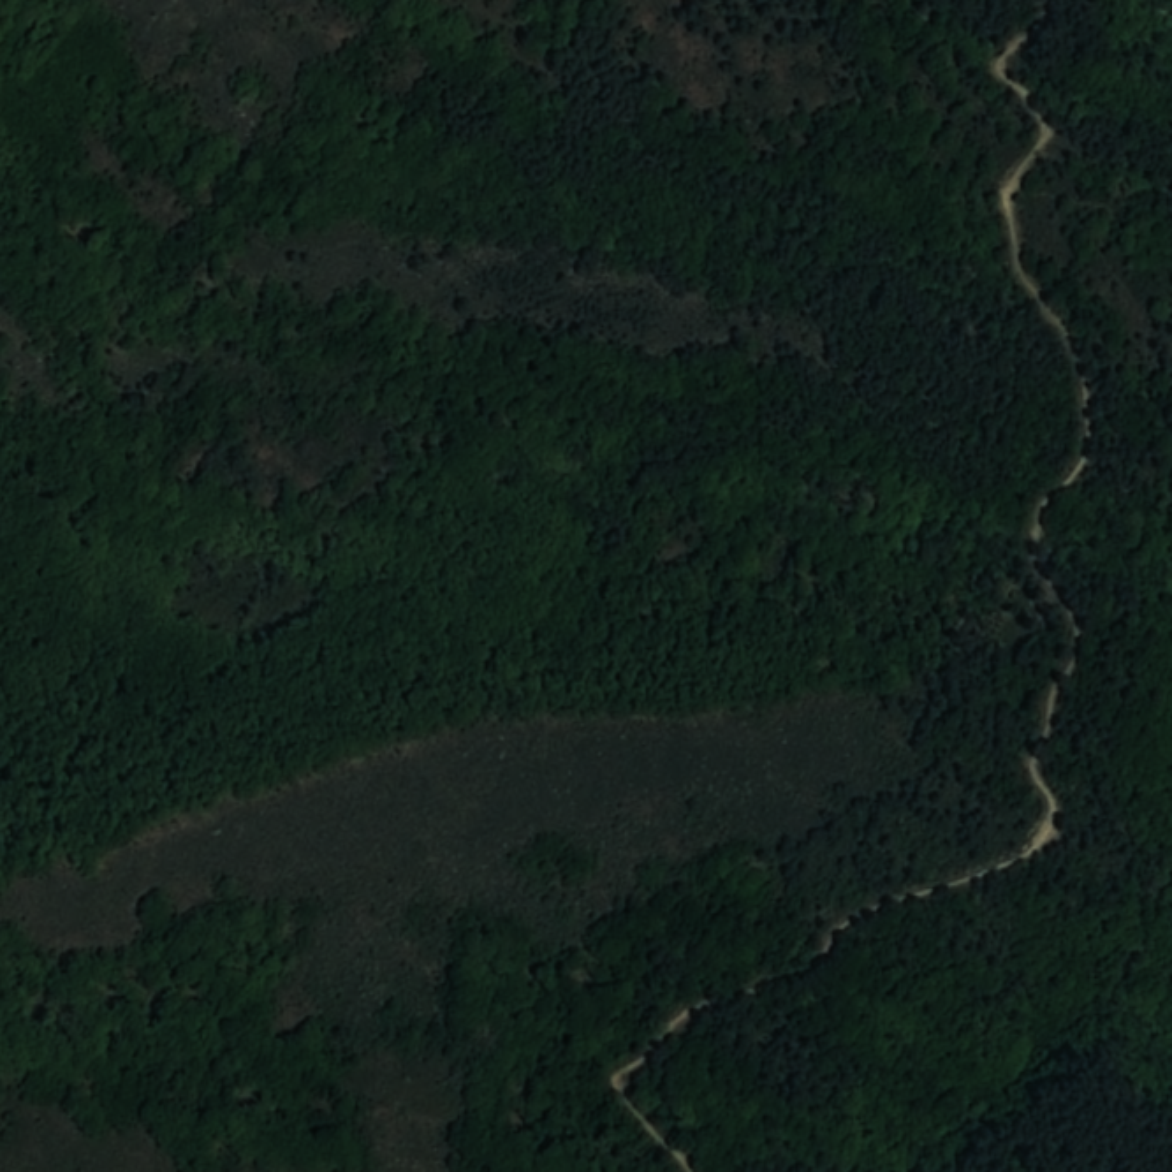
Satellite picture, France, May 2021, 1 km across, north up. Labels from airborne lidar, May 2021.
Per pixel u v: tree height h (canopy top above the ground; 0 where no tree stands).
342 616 28
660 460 24
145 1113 21
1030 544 12
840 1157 25
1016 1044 25
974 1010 21
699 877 13
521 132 29
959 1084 27
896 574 24
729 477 27
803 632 27
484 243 17
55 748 27
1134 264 17
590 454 19
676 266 21
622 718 7
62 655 23
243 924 33
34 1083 13
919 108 20
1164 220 17
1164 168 16
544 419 25
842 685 13
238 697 25
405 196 27
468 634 29
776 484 22
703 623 22
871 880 20
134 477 27
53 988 28
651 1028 23
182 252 18
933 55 19
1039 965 21
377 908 7
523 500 26
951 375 19
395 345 19
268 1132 29
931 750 10
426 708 24
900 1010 29
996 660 32
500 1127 27
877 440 18
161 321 10
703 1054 23
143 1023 31
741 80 14
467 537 13
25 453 19
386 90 12
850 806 9
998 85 11
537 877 5
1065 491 16
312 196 30
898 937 20
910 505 25
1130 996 32
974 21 29
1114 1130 39
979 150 9
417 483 28
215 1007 22
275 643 27
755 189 25
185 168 27
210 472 21
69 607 25
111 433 24
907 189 21
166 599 20
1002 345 16
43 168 18
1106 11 26
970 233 13
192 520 27
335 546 29
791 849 20
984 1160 36
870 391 21
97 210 28
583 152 29
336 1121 11
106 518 34
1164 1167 39
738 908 16
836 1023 27
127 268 21
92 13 20
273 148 12
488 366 33
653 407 26
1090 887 14
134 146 13
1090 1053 15
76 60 12
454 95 14
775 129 18
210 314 22
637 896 9
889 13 13
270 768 17
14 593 22
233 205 13
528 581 19
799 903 16
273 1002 8
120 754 25
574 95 29
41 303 21
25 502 31
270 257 0
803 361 22
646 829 6
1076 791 7
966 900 14
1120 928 21
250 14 0
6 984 32
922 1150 18
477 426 26
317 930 7
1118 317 21
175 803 13
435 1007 7
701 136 24
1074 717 6
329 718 23
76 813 23
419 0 17
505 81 27
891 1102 19
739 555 25
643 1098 31
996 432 11
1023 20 11
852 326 13
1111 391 20
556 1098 25
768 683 23
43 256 31
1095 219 14
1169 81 30
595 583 6
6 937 26
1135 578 21
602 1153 30
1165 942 19
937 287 19
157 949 24
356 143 31
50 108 18
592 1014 33
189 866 0
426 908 8
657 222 25
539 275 9
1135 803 22
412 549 19
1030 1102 22
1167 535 19
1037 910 18
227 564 14
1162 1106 25
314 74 20
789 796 6
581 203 25
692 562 17
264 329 12
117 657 23
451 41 26
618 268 14
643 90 28
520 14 11
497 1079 25
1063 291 20
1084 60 32
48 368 8
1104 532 15
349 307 22
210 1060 17
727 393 18
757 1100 27
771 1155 25
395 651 26
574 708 12
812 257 23
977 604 22
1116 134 18
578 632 23
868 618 15
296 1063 30
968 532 34
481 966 32
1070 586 31
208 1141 27
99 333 21
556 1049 24
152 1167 0
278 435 10
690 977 27
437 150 32
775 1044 14
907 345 16
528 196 25
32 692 22
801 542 20
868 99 17
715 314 7
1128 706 8
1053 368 23
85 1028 29
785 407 20
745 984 11
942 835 9
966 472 12
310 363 16
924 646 24
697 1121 27
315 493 10
